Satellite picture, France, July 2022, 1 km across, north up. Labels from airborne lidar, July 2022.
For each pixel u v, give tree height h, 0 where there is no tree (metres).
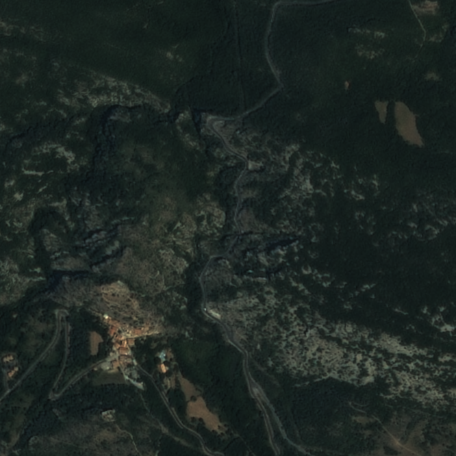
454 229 6
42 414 11
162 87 10
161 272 5
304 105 6
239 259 6
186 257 10
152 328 6
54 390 12
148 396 9
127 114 10
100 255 7
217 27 10
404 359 5
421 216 7
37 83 8
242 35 6
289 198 6
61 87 6
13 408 9
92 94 10
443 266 6
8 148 9
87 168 9
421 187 6
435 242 6
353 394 6
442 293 6
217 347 12
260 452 13
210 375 6
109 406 9
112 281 7
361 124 10
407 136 0
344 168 7
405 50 6
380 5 9
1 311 11
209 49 9
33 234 18
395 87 9
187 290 11
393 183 9
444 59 7
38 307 7
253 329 6
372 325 6
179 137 10
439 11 6
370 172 8
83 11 7
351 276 6
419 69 12
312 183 5
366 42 6
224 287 6
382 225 6
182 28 14
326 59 6
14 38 10
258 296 6
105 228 6
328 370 6
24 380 8
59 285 25
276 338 6
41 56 8
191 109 12
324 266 5
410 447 0
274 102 7
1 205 8
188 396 0
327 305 6
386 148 7
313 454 9
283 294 6
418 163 8
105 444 7
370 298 6
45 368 11
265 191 6
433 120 10
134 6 7
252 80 8
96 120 17
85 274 14
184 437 10
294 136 7
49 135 8
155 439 9
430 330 5
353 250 7
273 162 7
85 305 8
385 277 7
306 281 6
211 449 7
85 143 11
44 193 9
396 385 6
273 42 6
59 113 7
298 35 8
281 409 7
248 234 7
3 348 12
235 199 9
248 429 13
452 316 6
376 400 7
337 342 6
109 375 0
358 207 8
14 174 6
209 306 0
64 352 7
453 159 6
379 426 7
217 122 0
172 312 6
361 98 9
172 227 7
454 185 7
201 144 9
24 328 7
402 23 6
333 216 7
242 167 8
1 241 10
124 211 6
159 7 6
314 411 6
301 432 8
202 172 7
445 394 5
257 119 7
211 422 0
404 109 0
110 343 9
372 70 7
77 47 6
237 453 10
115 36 6
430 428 8
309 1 8
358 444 7
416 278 5
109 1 10
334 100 11
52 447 6
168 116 8
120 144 8
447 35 8
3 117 6
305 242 8
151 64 7
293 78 5
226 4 9
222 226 10
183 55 5
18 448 7
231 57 7
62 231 7
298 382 7
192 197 7
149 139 10
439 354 6
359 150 9
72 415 6
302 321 8
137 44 6
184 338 9
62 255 7
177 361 10
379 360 8
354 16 8
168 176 6
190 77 10
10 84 7
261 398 0
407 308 6
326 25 7
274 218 7
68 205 16
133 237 0
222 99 8
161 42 6
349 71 6
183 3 7
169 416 12
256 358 6
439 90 11
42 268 10
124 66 7
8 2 6
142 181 6
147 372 7
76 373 9
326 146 7
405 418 0
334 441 6
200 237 9
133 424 6
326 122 7
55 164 10
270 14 9
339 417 9
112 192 11
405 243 6
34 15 5
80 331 15
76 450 9
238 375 7
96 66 7
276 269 7
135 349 7
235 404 14
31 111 7
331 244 7
